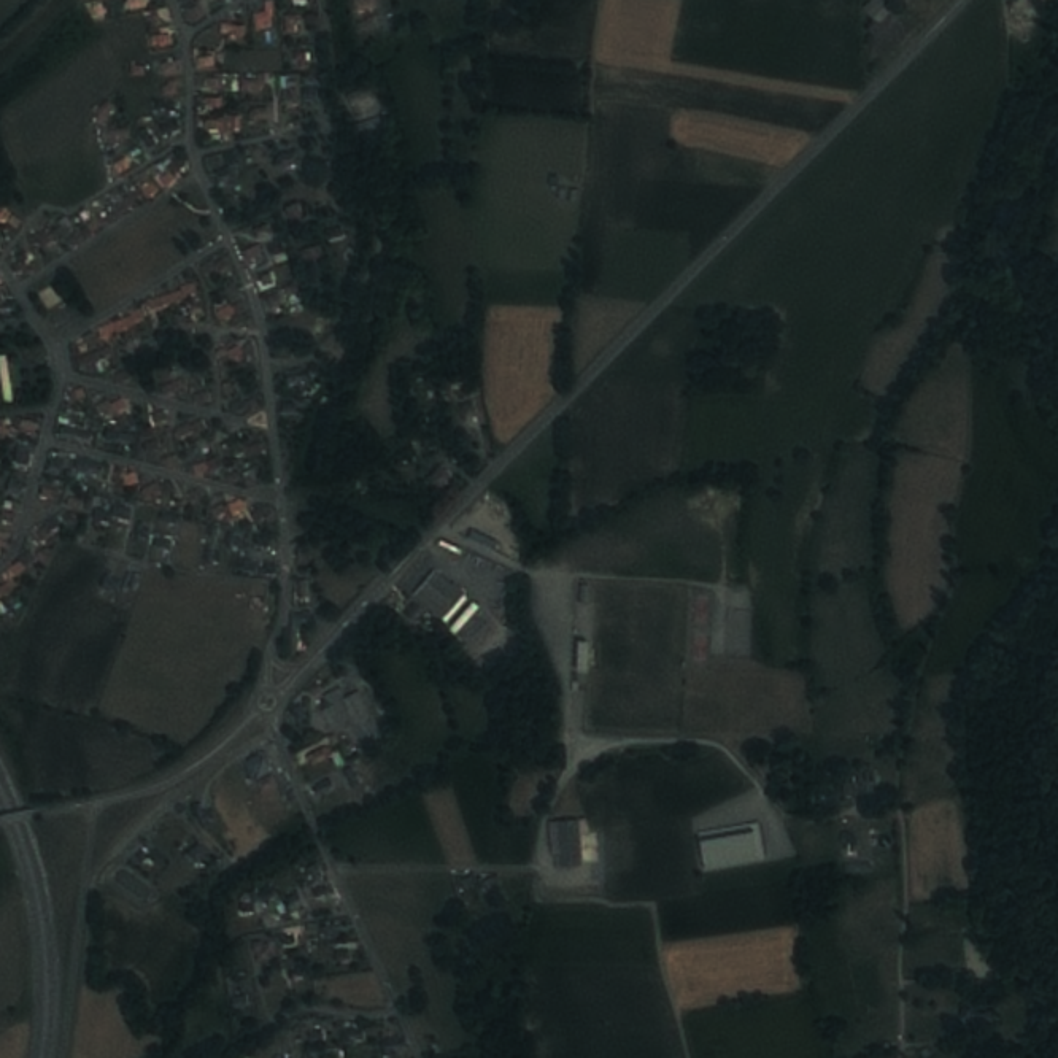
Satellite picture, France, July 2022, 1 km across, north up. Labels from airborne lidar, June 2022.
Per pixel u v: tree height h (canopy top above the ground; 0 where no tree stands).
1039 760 26
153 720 0
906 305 6
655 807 0
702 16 0
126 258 0
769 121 0
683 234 0
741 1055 0
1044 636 25
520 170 0
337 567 15
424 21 19
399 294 23
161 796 0
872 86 0
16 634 0
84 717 0
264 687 0
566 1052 0
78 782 0
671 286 0
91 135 0
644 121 0
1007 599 0
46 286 0
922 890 0
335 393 20
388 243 24
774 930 0
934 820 0
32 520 0
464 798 0
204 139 8
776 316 21
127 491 7
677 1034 0
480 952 26
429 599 0
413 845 0
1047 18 22
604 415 0
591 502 0
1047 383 28
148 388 12
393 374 13
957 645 0
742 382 13
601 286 0
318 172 17
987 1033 21
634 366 0
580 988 0
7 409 7
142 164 0
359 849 0
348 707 0
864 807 18
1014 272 15
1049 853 10
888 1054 13
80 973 0
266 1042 16
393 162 24
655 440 0
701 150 0
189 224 0
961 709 19
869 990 0
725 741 0
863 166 0
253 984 0
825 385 0
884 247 0
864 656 0
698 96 0
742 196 0
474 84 20
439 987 0
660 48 0
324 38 14
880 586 0
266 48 0
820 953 0
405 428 17
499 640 0
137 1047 0
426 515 8
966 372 0
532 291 0
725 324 18
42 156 0
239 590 0
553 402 0
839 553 0
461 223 0
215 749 0
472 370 14
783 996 0
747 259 0
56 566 0
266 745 0
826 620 0
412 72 0
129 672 0
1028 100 19
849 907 0
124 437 0
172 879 0
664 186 0
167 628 0
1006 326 32
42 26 0
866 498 0
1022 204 37
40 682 0
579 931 0
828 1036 13
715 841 0
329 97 15
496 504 0
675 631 0
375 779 0
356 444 15
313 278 16
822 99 0
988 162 21
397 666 0
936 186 0
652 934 0
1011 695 28
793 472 0
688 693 0
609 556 0
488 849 0
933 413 0
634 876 0
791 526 0
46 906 0
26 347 8
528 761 20
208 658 0
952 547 16
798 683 0
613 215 0
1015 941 29
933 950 0
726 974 0
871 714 0
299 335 15
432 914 0
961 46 0
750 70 0
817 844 0
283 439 6
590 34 0
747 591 0
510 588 15
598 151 0
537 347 0
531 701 29
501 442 0
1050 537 24
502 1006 18
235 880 12
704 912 0
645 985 0
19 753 0
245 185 0
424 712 0
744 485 14
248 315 0
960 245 20
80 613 0
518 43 0
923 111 0
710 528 0
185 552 0
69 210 0
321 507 18
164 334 11
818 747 0
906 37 0
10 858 0
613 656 0
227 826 0
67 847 0
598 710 0
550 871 0
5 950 0
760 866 0
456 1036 0
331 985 0
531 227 0
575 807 0
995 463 0
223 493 0
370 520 10
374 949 0
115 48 0
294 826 0
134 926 0
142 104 0
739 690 0
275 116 0
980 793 17
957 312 19
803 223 0
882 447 13
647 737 0
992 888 30
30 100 0
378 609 11
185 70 0
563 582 0
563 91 0
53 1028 0
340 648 15
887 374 0
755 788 0
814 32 0
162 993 0
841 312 0
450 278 0
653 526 0
